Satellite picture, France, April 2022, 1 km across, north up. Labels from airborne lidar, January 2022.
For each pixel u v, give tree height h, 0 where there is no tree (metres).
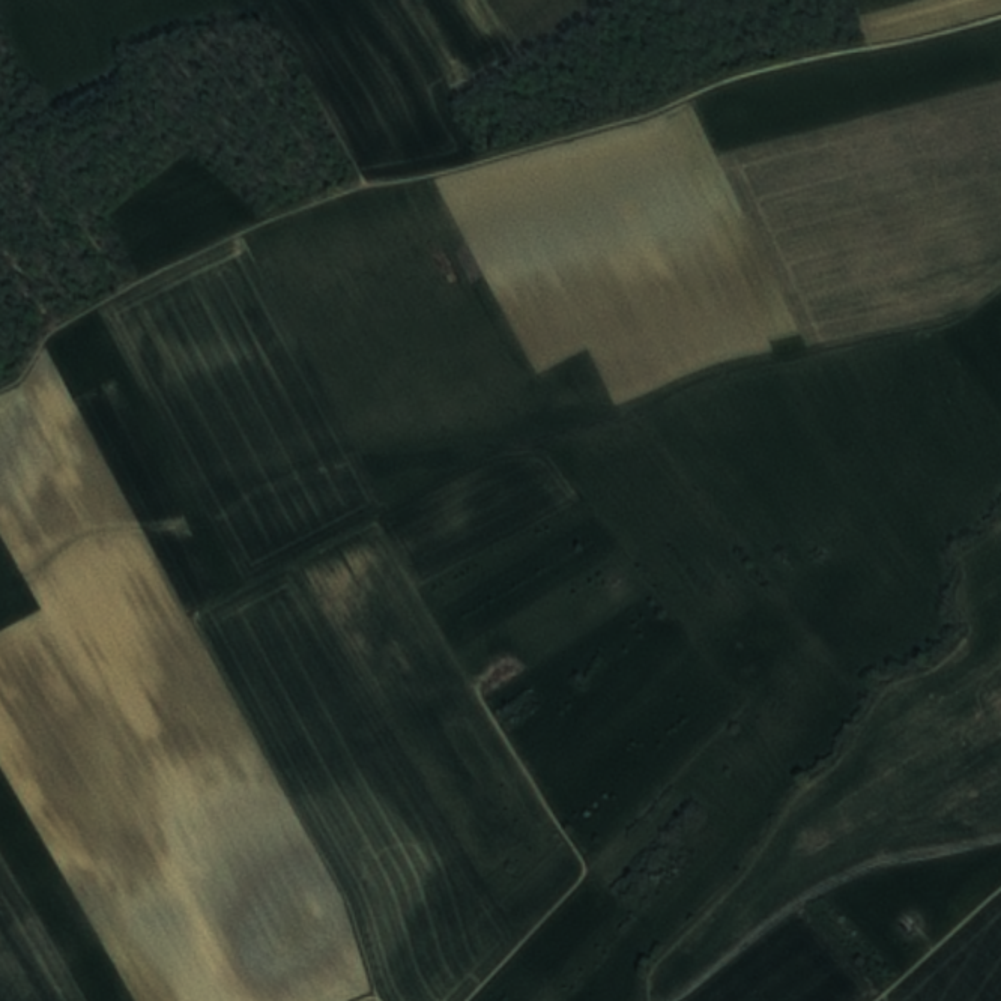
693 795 0
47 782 0
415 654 0
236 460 0
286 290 0
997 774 0
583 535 0
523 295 0
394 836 0
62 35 0
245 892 0
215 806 0
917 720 0
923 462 0
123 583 0
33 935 0
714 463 0
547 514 0
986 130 0
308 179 22
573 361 0
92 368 0
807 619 0
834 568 0
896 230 0
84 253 23
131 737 0
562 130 13
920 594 0
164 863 0
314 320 0
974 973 0
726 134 0
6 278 24
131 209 0
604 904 0
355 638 0
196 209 0
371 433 0
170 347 0
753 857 0
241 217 0
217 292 0
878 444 0
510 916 0
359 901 0
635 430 0
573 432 0
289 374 0
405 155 0
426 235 0
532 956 0
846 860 0
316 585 0
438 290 0
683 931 0
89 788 0
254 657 0
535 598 0
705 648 0
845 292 0
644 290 0
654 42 25
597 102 24
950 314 0
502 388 0
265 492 0
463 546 0
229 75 27
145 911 0
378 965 0
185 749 0
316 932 0
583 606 0
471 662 0
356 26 0
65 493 0
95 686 0
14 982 0
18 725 0
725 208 0
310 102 13
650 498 0
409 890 0
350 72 0
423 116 0
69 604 0
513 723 10
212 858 0
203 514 0
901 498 0
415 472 0
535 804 0
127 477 0
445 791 0
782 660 0
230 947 0
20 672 0
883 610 0
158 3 0
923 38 0
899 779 0
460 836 0
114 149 22
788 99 0
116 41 0
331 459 0
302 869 0
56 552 0
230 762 0
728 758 0
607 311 0
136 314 0
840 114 0
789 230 0
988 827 0
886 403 0
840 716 0
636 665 0
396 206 0
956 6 0
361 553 0
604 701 0
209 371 0
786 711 0
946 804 0
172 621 0
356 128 0
